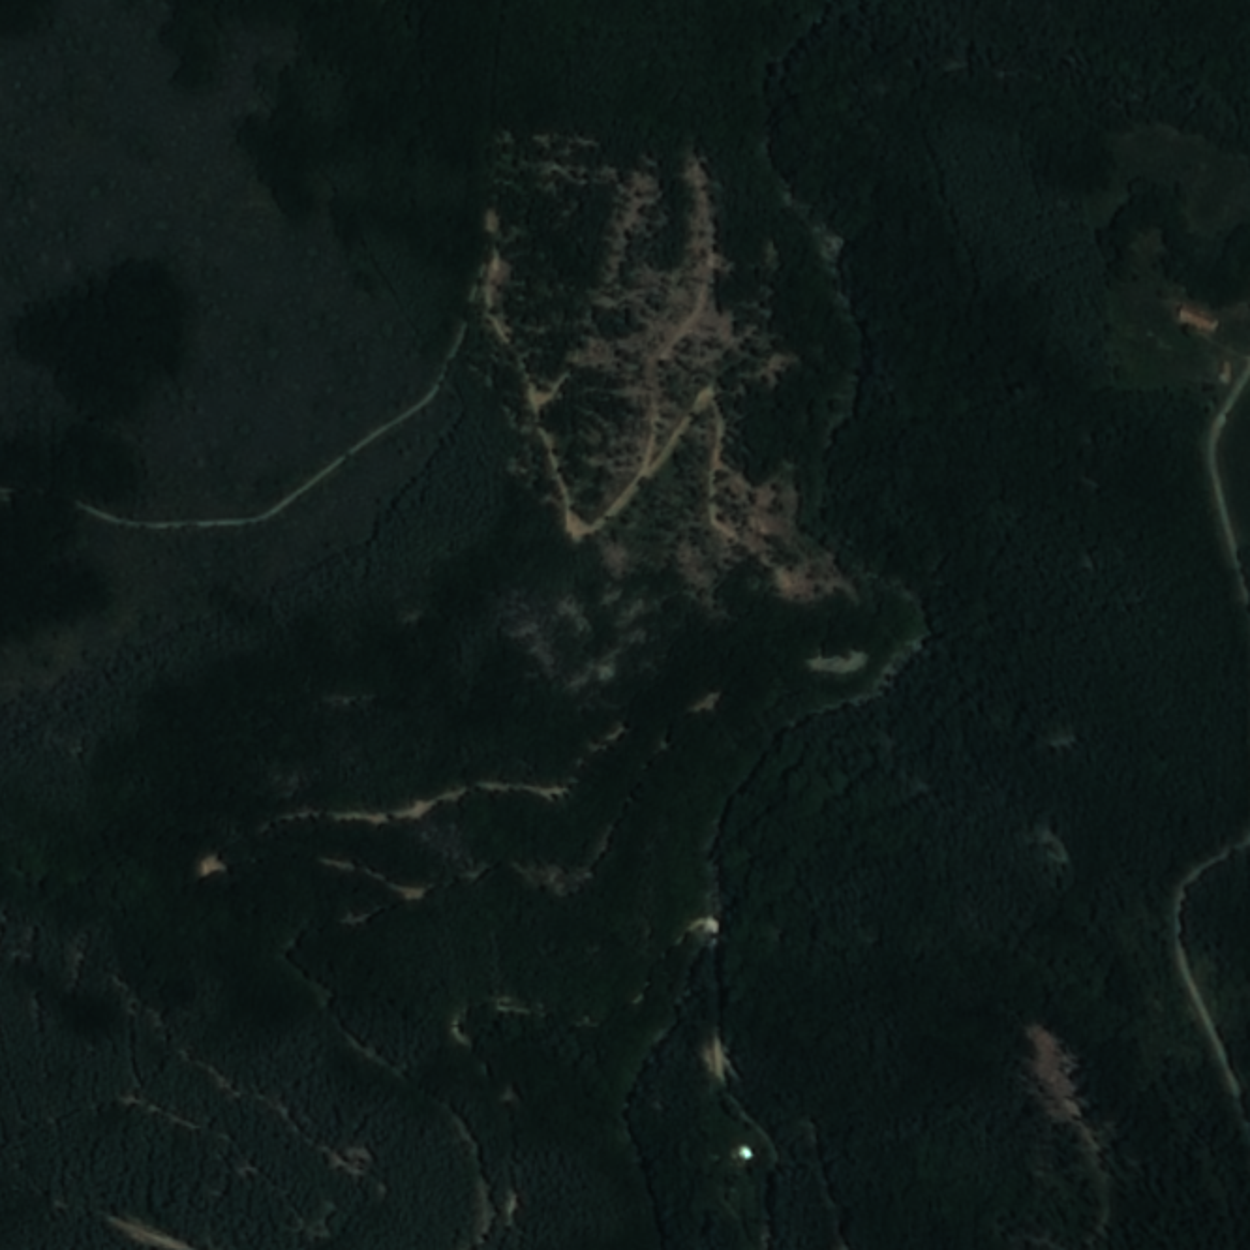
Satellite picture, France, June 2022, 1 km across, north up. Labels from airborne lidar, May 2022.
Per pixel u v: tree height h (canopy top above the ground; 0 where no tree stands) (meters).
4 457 13
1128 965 15
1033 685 16
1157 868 17
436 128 14
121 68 0
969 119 14
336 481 0
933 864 13
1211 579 13
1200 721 14
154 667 11
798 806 19
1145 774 15
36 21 9
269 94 12
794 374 17
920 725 18
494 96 17
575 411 12
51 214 0
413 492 20
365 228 10
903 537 14
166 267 10
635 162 18
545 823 15
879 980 18
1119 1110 20
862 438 12
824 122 12
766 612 13
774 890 20
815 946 13
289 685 15
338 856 25
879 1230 21
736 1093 16
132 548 0
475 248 13
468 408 10
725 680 19
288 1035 22
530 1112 20
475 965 16
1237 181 0
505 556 14
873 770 8
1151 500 11
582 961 16
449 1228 18
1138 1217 6
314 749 18
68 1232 21
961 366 10
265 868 22
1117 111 13
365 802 10
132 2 6
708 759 12
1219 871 12
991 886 16
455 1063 21
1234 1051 13
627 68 16
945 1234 16
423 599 12
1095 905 10
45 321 7
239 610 12
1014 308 12
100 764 19
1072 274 16
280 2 12
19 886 19
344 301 0
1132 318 0
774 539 17
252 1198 20
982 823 19
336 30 11
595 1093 26
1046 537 12
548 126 17
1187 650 12
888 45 16
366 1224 17
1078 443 12
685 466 17
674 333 0
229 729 18
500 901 16
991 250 9
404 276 11
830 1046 23
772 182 18
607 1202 21
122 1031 20
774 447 21
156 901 27
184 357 7
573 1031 16
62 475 15
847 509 12
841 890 18
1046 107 11
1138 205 11
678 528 17
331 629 14
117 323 16
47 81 0
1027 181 15
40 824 14
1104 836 16
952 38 24
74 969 15
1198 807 18
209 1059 15
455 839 11
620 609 9
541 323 11
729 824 20
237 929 25
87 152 0
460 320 9
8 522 16
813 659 7
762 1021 21
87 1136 19
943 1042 24
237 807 22
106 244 0
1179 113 15
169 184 0
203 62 9
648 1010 18
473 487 21
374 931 20
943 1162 12
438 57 14
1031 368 9
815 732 21
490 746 13
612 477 14
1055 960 10
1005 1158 22
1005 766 19
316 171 7
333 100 11
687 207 20
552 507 14
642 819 23
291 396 0
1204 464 6
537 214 14
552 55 19
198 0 10
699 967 15
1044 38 21
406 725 11
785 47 13
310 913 20
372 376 0
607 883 18
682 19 16
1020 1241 18
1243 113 21
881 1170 17
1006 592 12
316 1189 16
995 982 15
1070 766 14
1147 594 11
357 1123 22
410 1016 25
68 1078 17
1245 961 14
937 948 10
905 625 19
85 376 17
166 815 29
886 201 16
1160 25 17
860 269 13
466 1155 22
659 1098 26
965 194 15
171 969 22
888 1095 21
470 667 22
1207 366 0
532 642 9
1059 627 11
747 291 18
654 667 8
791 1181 19
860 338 13
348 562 11
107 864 17
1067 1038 26
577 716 11
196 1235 25
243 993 19
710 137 28
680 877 21
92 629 0
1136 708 12
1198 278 16
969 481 13
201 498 0
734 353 15
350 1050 25
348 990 22
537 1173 24
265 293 0
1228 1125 17
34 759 20
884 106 12
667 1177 23
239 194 0
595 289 14
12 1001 20
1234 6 17
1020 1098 23
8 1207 21
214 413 0
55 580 13
